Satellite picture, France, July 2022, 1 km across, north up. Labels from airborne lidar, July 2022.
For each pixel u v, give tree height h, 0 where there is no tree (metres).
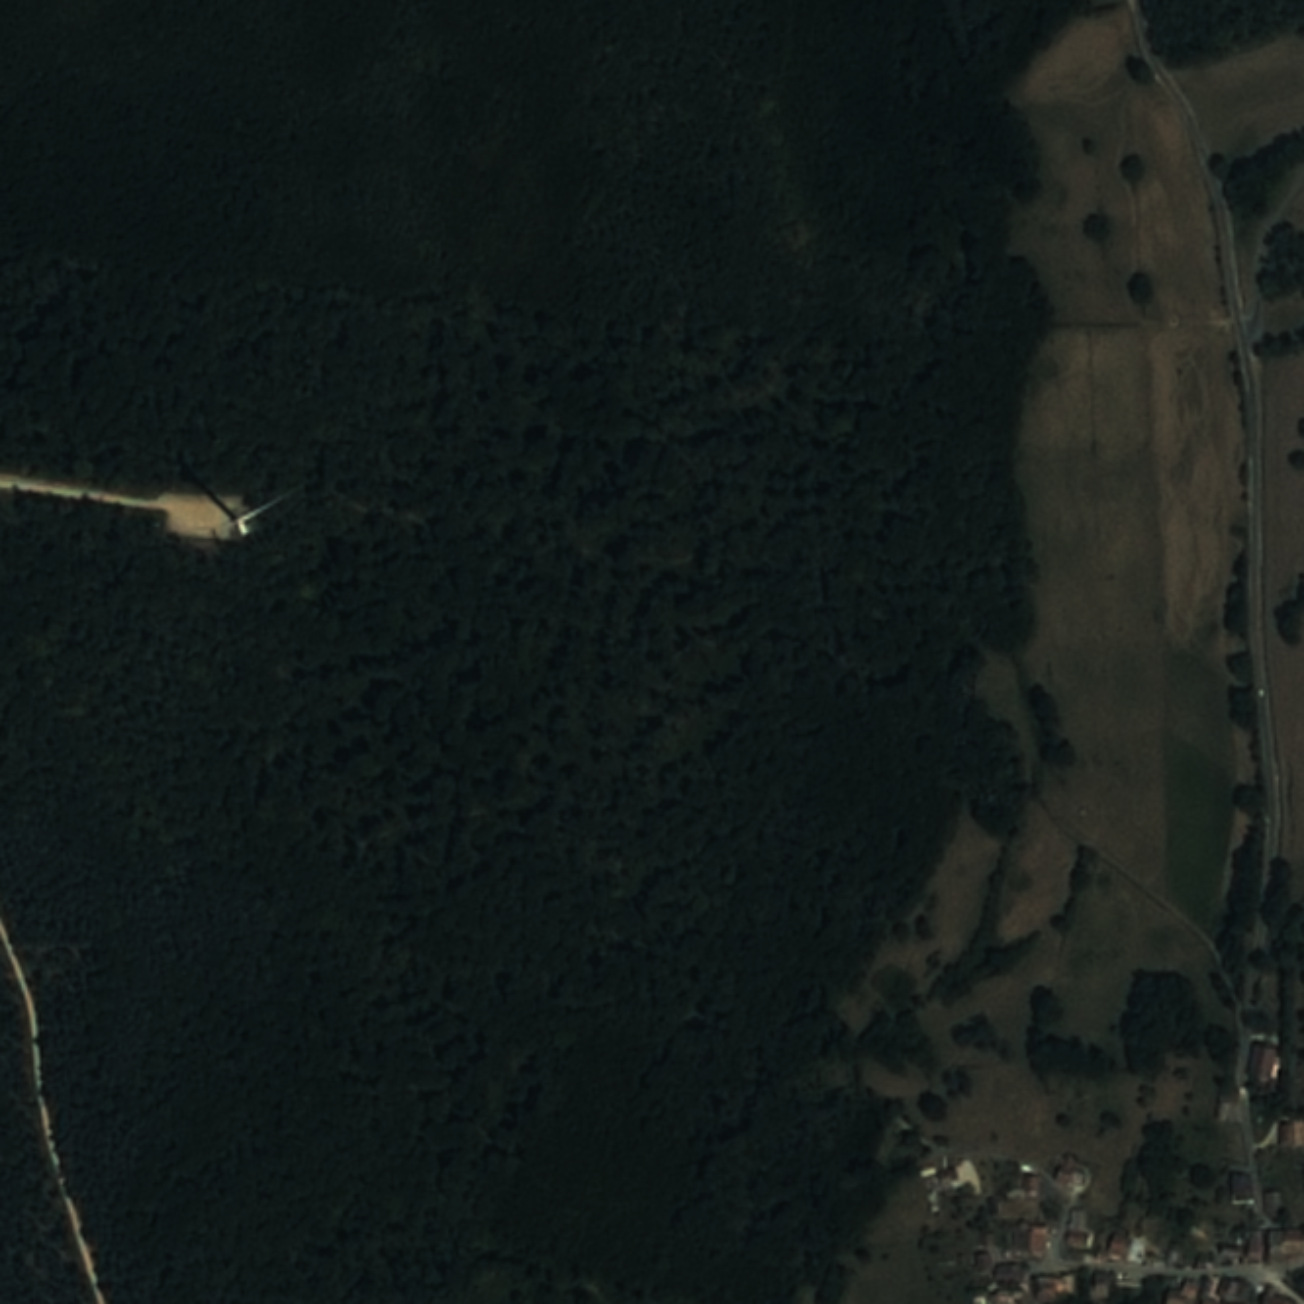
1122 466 0
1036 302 14
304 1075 29
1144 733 0
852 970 30
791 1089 23
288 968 20
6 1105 17
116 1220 16
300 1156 21
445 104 15
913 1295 0
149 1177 22
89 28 11
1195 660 0
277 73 14
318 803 20
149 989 18
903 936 13
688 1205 14
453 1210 24
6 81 13
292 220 12
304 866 21
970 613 23
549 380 27
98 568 20
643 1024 25
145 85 17
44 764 17
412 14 9
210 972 22
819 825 31
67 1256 18
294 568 24
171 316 22
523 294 8
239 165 20
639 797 21
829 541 22
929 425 26
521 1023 25
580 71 10
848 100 14
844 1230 25
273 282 13
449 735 30
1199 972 0
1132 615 0
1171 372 0
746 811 21
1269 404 0
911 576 24
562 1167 18
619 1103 13
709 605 22
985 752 32
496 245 10
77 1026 17
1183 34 19
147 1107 15
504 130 8
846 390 25
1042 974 0
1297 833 0
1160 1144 12
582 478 23
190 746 18
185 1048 14
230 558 15
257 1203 21
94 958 14
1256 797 14
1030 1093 0
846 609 26
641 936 22
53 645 22
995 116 22
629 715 0
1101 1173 0
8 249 18
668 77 15
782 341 23
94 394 21
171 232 19
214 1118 24
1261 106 0
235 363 22
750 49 16
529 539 21
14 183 18
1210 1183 15
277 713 22
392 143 14
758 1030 25
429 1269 29
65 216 21
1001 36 27
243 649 17
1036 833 0
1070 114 0
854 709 28
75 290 23
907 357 23
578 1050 17
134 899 17
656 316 18
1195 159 0
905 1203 0
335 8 12
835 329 20
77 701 17
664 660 28
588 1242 13
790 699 20
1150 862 0
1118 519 0
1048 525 0
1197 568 0
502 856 26
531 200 8
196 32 15
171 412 18
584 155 14
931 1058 6
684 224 16
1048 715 23
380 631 26
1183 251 0
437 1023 26
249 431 20
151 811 16
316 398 19
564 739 23
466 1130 27
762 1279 10
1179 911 0
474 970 23
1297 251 15
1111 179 0
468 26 7
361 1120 24
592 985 24
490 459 21
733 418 25
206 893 21
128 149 18
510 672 25
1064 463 0
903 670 6
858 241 12
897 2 25
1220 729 0
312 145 11
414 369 24
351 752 16
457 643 22
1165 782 0
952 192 24
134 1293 20
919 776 32
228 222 20
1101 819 0
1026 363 23
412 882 25
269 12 15
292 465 18
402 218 10
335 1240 8
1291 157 18
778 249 16
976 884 0
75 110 20
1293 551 0
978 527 25
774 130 12
